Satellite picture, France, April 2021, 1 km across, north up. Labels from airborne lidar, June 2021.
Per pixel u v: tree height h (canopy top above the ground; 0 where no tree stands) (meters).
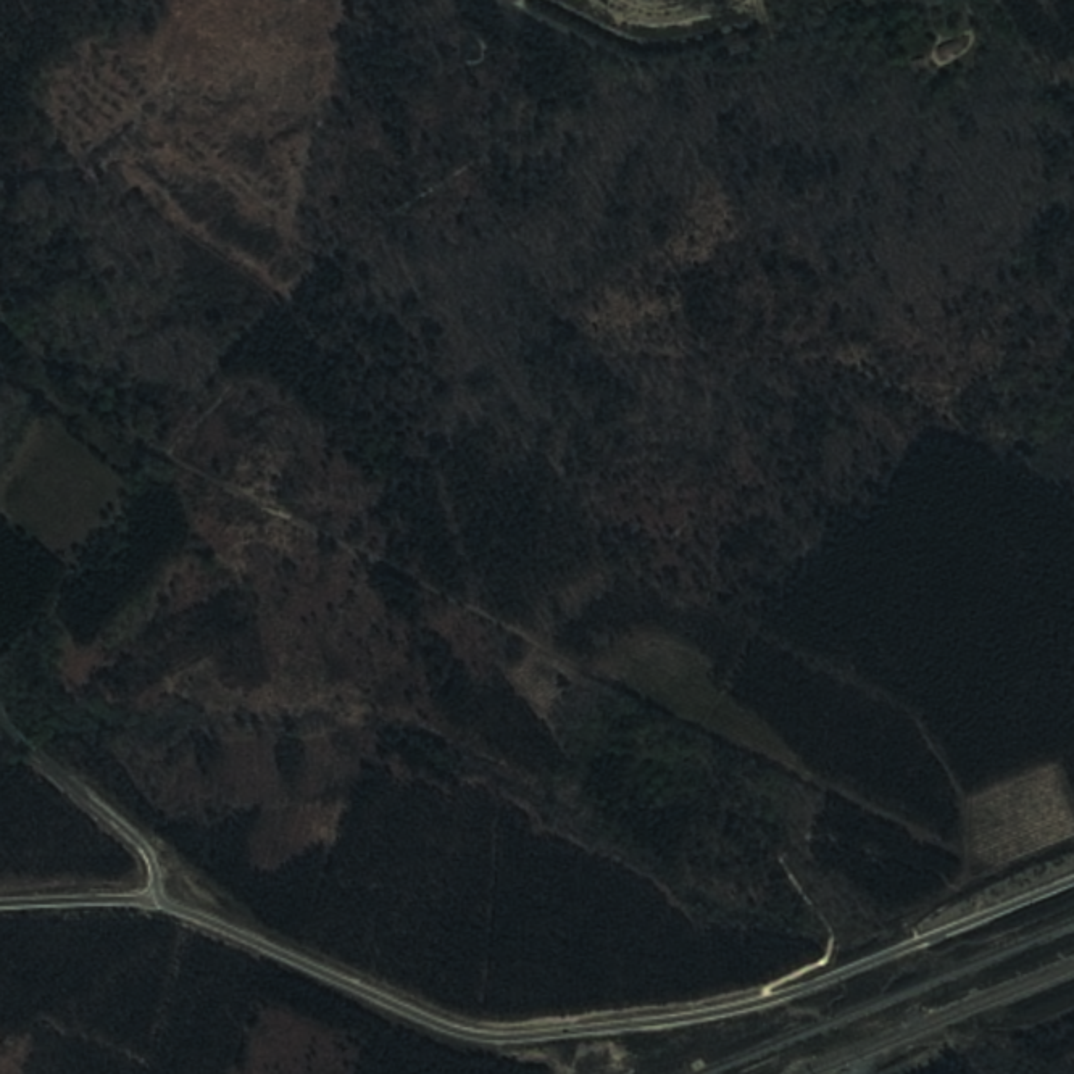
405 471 14
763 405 10
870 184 12
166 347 10
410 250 13
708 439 8
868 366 11
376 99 9
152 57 0
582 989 13
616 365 10
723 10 0
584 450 16
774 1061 0
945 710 19
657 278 8
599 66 15
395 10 24
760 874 21
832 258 15
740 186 10
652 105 13
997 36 11
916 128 10
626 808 19
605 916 14
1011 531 19
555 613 16
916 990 0
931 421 10
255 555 13
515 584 21
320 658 0
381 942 11
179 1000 11
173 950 10
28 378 16
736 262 7
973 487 20
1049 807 0
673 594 16
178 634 8
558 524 17
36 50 18
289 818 0
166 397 6
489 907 12
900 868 12
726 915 13
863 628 20
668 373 11
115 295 16
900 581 18
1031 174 14
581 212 14
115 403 11
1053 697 17
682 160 9
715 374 9
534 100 17
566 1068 0
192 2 0
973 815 0
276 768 0
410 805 11
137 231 13
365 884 11
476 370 11
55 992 12
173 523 13
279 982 11
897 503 18
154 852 0
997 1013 0
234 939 0
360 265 9
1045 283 14
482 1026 0
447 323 11
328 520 6
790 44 15
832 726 10
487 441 17
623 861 9
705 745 16
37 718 19
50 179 13
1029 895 0
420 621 14
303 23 0
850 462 8
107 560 14
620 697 17
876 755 13
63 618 12
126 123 0
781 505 9
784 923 8
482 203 8
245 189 0
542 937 11
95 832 12
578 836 14
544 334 17
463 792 13
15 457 15
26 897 0
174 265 10
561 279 12
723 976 13
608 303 8
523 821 13
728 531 8
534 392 13
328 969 0
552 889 14
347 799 0
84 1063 11
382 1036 11
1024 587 18
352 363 14
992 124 15
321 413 18
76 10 18
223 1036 10
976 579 19
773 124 8
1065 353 10
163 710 12
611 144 12
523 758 12
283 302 7
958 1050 7
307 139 0
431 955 12
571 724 16
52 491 0
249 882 14
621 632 12
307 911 13
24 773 15
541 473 16
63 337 21
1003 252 14
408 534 7
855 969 0
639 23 0
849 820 13
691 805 14
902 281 10
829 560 17
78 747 14
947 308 9
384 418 14
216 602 10
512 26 10
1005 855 0
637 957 12
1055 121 16
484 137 7
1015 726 19
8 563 16
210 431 0
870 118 14
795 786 17
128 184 11
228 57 0
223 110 0
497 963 13
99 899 0
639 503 7
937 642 20
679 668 0
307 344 16
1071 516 19
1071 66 10
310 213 11
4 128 9
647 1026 0
